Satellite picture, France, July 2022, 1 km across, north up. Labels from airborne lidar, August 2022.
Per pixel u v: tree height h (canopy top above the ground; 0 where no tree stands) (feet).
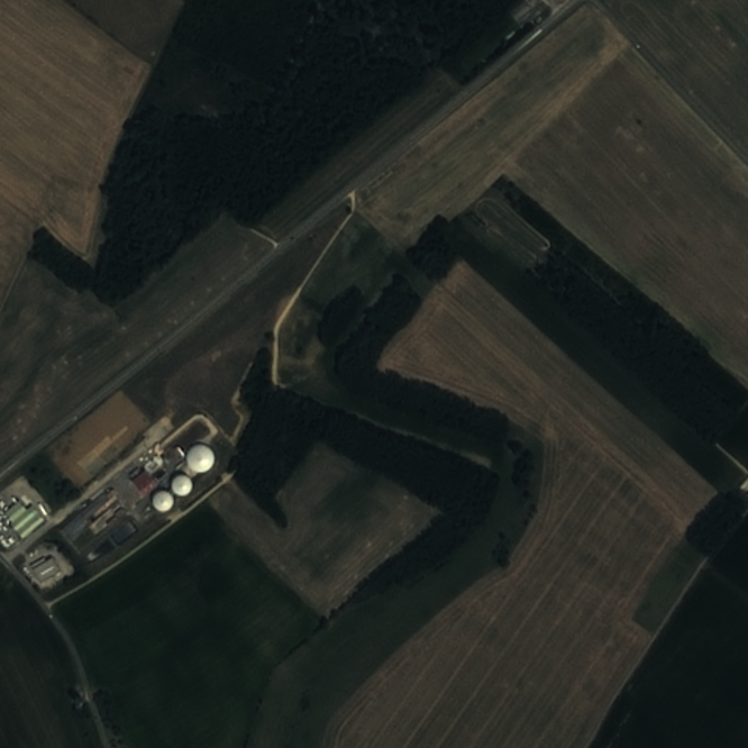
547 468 0
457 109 0
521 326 0
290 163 51
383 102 70
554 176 0
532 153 0
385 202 0
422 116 0
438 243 35
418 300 54
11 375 0
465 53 37
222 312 0
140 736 0
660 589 0
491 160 0
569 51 0
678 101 0
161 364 0
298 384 0
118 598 0
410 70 75
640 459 0
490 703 0
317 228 0
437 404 54
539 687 0
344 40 39
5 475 0
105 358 0
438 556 41
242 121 37
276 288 0
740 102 0
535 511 30
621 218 0
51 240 35
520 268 0
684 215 0
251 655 0
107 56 0
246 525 0
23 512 0
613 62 0
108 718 20
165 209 70
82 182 0
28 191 0
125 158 43
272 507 24
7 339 0
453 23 84
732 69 0
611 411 0
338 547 0
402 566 53
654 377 70
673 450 0
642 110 0
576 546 0
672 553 0
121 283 54
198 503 0
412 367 0
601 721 0
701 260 0
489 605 0
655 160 0
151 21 0
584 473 0
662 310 54
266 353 26
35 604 0
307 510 0
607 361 0
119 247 45
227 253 0
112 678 0
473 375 0
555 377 0
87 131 0
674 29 0
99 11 0
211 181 40
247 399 46
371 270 0
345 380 56
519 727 0
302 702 0
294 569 0
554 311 0
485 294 0
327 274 0
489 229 0
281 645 0
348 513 0
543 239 0
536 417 0
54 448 0
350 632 0
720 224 0
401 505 0
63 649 0
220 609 0
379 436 81
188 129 46
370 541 0
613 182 0
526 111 0
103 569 0
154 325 0
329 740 0
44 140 0
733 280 0
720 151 0
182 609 0
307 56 44
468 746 0
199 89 0
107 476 0
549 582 0
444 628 0
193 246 0
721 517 74
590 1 0
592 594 0
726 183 0
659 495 0
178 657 0
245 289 0
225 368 0
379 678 0
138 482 0
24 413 0
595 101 0
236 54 21
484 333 0
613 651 0
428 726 0
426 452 76
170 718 0
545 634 0
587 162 0
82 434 0
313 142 44
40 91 0
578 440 0
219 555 0
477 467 44
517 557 0
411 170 0
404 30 71
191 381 0
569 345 0
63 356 0
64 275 32
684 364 55
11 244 0
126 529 0
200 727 0
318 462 0
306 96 66
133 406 0
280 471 37
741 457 0
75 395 0
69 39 0
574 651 0
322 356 0
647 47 0
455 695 0
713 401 73
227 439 0
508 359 0
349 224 0
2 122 0
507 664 0
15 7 0
